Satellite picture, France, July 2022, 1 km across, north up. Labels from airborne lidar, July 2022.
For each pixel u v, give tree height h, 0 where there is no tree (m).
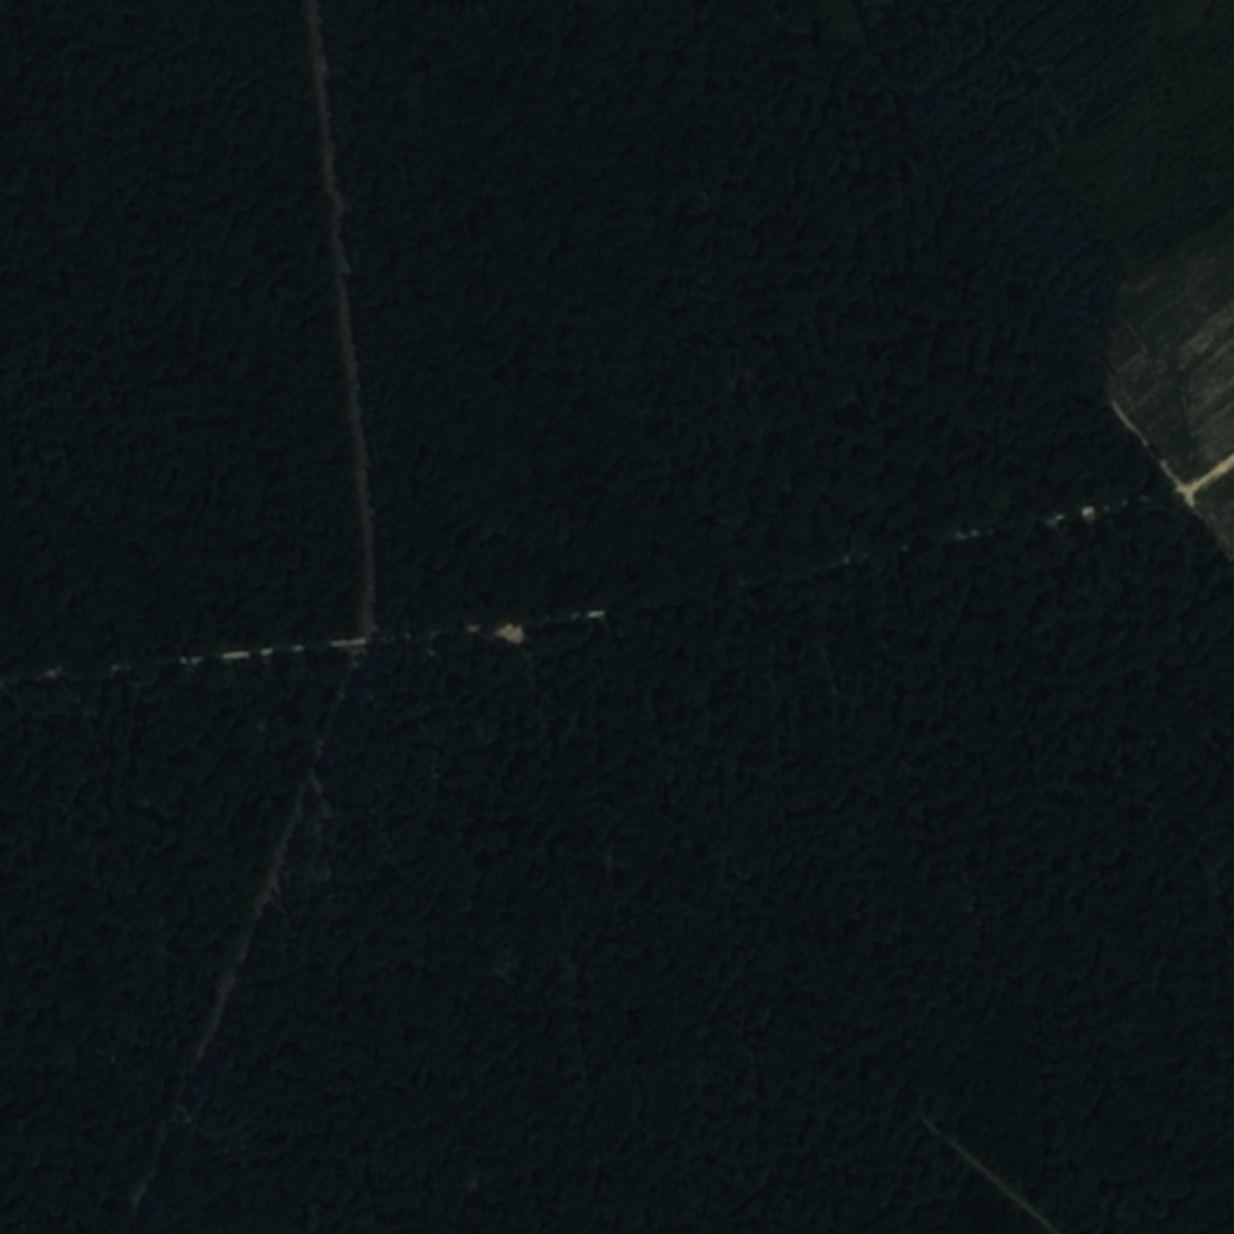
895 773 24
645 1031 20
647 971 22
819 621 28
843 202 28
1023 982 22
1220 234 0
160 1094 22
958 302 24
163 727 30
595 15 23
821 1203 27
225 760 25
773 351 21
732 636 24
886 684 26
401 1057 30
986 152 12
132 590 20
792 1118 20
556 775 24
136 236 16
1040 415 21
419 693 22
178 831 27
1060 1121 20
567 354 27
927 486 25
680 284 20
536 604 18
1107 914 22
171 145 21
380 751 25
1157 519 23
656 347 26
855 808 27
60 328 27
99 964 27
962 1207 16
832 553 29
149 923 22
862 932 23
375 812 23
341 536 26
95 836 26
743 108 22
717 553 25
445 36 24
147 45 18
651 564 27
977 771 17
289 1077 23
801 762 24
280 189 24
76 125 23
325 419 23
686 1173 19
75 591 13
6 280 20
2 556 16
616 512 25
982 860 18
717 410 27
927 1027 20
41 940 23
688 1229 17
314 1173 23
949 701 26
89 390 13
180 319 19
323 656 21
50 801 25
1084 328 23
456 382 25
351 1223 20
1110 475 22
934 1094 23
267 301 26
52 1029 24
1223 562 22
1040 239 20
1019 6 9
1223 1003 28
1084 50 7
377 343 20
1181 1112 21
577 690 24
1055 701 25
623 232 22
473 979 23
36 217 25
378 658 23
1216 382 0
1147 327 0
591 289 17
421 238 22
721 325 28
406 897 26
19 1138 26
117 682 23
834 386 29
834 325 27
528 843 26
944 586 24
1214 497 0
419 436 22
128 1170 24
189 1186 21
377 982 28
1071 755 29
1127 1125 18
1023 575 29
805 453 23
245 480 28
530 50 21
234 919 24
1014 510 21
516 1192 18
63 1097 25
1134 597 24
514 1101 23
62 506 21
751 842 26
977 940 18
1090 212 6
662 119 21
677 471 22
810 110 28
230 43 19
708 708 20
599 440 21
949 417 22
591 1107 19
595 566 22
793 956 13
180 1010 22
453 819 27
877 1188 24
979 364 24
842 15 0
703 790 24
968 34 28
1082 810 27
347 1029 26
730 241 22
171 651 19
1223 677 28
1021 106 16
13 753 24
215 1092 22
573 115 25
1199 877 26
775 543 28
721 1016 21
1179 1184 25
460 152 21
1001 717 28
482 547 25
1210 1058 23
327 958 26
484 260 21
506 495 24
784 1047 21
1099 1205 25
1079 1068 25
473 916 27
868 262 20
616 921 21
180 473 26
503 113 21
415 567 24
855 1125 19
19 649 23
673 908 25
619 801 22
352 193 21
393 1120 27
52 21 24
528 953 25
